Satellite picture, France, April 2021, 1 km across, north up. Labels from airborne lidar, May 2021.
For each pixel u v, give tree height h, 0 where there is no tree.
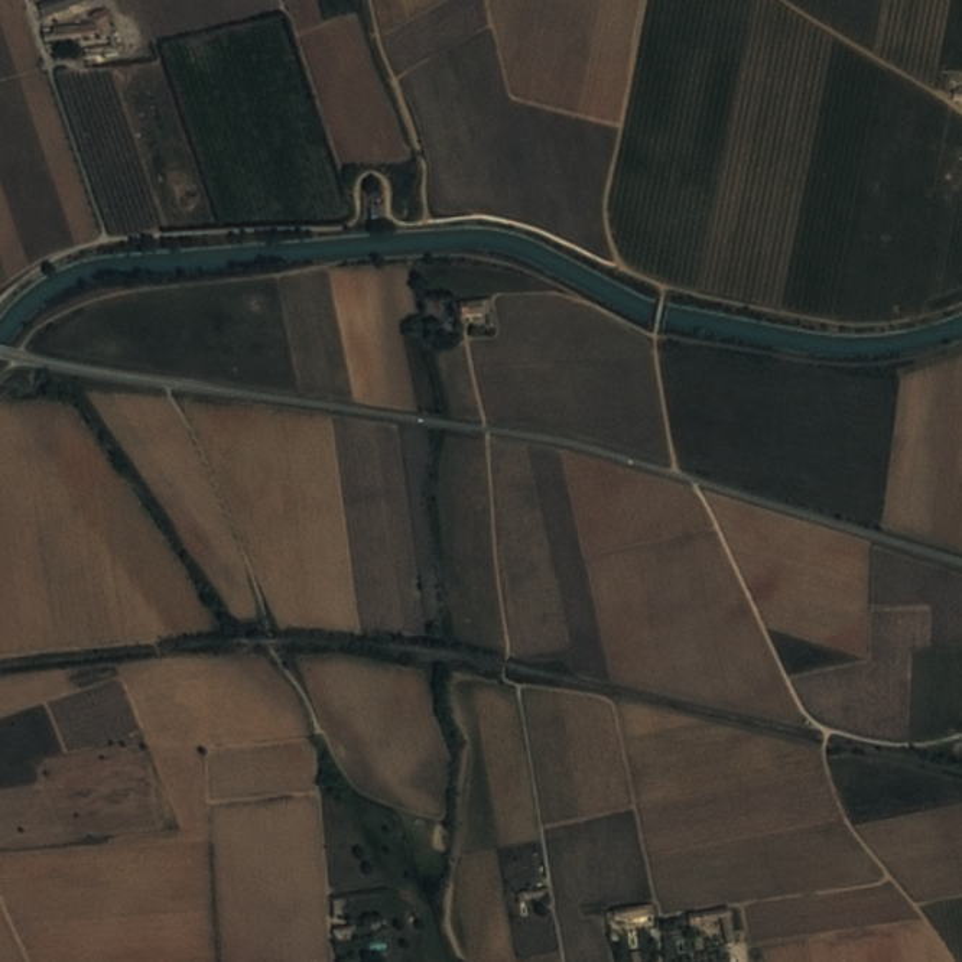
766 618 0
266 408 0
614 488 0
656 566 0
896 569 0
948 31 0
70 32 0
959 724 0
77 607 0
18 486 0
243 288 0
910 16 0
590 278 0
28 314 0
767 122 0
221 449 0
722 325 0
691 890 0
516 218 0
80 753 0
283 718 0
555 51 0
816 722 0
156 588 0
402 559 0
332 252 0
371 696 0
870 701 0
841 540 0
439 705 11
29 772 0
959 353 0
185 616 0
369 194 11
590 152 0
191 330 0
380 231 14
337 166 10
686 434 0
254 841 0
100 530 0
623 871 0
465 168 0
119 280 14
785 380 0
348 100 0
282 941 0
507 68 0
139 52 0
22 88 0
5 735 0
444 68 0
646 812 0
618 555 0
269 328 0
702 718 0
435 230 0
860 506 0
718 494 0
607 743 0
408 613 0
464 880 0
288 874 0
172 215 0
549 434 0
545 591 0
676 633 0
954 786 0
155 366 0
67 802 0
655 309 0
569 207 0
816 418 0
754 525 0
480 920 0
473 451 0
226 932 0
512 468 0
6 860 0
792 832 0
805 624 0
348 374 0
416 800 0
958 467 0
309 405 0
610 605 0
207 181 9
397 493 0
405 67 0
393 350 0
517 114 0
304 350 0
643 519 0
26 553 0
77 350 0
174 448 0
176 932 0
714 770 0
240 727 0
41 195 0
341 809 0
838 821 0
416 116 0
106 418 0
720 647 0
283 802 0
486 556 0
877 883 0
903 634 0
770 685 0
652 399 0
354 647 7
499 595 0
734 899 0
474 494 0
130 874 0
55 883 0
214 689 0
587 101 0
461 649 7
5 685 0
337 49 0
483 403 0
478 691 0
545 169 0
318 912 0
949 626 0
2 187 0
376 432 0
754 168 0
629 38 0
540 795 0
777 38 0
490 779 0
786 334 0
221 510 0
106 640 0
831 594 0
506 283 0
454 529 0
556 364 0
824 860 0
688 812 0
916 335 0
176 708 0
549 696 0
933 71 0
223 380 0
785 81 0
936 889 0
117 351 0
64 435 0
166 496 0
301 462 0
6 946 0
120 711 0
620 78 0
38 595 0
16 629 0
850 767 0
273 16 10
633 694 0
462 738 13
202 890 0
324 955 0
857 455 0
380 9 0
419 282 18
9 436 0
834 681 0
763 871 0
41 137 0
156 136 0
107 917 0
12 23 0
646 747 0
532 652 0
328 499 0
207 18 0
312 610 0
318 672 0
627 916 0
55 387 18
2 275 0
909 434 0
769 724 0
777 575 0
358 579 0
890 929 0
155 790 0
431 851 0
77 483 0
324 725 0
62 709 0
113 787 0
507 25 0
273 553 0
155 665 0
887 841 0
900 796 0
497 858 0
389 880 0
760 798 0
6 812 0
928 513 0
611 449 0
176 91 11
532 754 0
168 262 0
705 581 0
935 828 0
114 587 0
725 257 0
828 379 0
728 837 0
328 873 0
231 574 0
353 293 0
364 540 0
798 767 0
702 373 0
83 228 0
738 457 0
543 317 0
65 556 0
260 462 0
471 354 0
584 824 0
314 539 0
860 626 0
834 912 0
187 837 0
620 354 0
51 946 0
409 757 0
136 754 0
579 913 0
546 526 0
